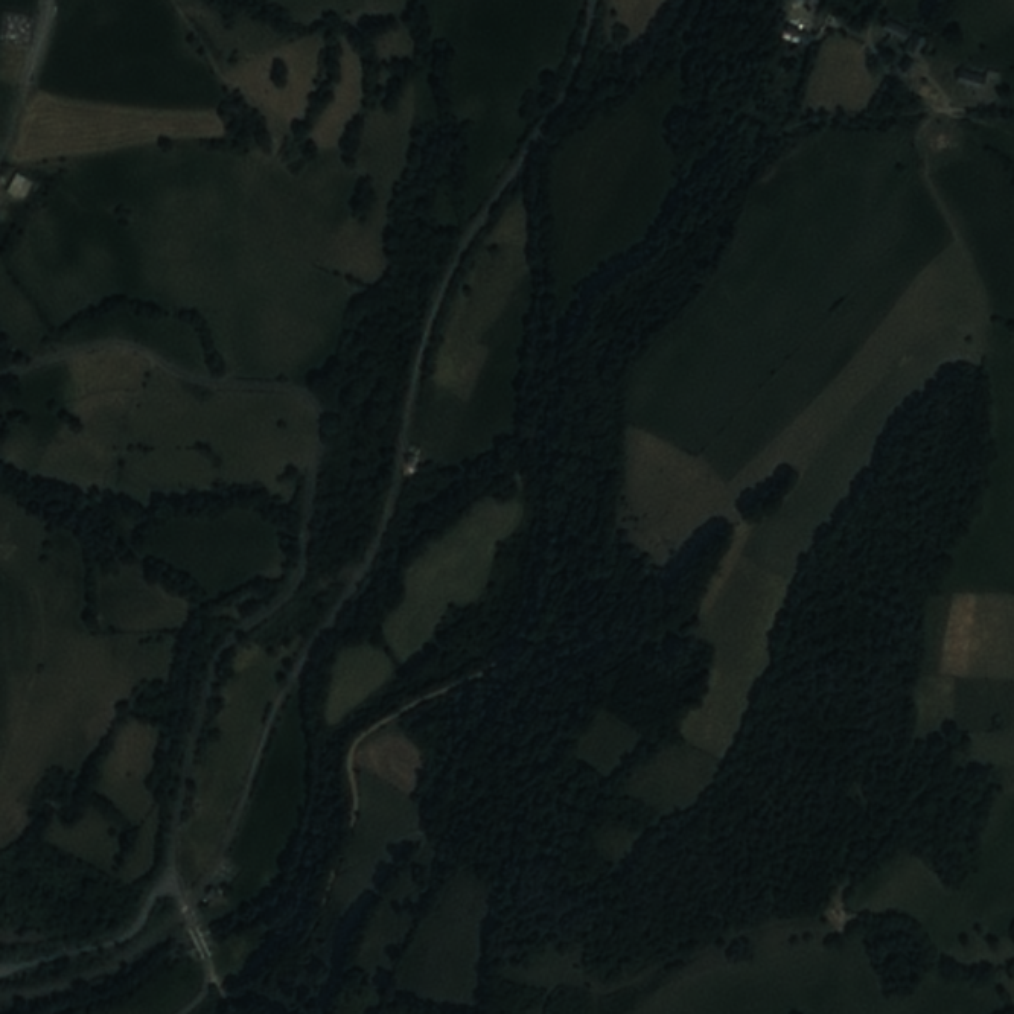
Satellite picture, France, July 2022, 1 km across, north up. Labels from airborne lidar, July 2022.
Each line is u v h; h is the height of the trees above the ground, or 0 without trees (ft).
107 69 0
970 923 0
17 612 0
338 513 71
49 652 0
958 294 0
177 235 0
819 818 27
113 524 31
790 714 42
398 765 0
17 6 0
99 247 0
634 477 0
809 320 0
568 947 39
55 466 0
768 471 0
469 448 0
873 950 52
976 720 0
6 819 0
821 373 0
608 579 78
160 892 0
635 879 57
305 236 0
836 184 0
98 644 0
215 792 0
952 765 37
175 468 0
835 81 0
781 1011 0
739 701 0
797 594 51
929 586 52
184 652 71
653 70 56
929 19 82
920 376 0
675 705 44
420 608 0
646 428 0
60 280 0
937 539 27
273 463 0
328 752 57
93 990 44
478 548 0
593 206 0
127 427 0
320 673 63
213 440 0
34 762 0
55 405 32
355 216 25
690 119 75
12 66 0
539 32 0
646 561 28
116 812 50
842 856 41
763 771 43
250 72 0
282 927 88
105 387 0
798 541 0
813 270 0
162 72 0
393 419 21
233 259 0
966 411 38
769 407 0
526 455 66
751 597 0
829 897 33
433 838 75
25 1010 54
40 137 0
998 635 0
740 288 0
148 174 0
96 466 0
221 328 0
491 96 0
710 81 73
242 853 0
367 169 0
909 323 0
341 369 61
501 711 72
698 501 0
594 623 66
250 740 0
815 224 0
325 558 25
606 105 60
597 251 0
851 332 0
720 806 28
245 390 0
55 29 0
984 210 0
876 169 0
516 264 0
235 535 0
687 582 83
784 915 27
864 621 35
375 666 0
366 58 31
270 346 0
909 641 58
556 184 0
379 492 72
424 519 58
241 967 0
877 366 0
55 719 0
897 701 30
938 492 44
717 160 50
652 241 36
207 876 0
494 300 0
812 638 30
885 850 40
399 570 49
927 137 0
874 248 0
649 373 0
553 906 71
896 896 0
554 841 66
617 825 23
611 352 50
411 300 37
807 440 0
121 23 0
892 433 51
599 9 24
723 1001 0
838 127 28
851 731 38
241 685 0
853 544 33
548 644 31
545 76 43
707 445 0
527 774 51
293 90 0
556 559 77
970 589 0
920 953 53
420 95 0
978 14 0
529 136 20
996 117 41
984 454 64
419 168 75
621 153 0
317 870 83
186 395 0
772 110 28
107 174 0
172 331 0
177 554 0
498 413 0
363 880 0
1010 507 0
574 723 87
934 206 0
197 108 0
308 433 0
